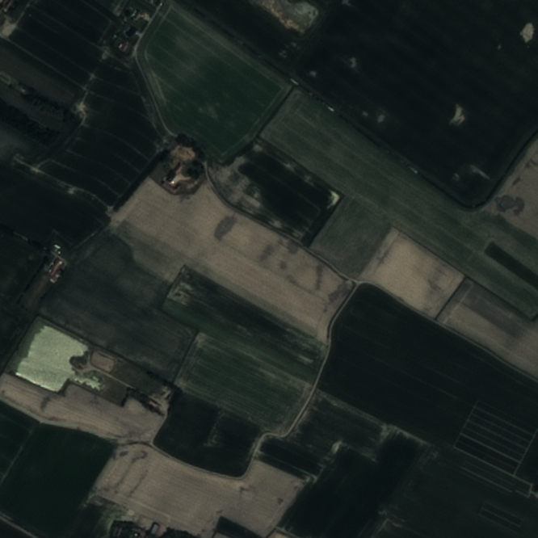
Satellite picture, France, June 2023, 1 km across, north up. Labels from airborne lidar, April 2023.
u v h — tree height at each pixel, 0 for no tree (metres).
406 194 0
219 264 0
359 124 0
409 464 0
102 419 0
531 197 0
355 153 0
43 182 0
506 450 0
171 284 0
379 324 0
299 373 0
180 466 0
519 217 0
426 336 0
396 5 0
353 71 0
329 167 0
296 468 0
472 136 0
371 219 0
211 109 0
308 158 0
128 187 0
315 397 0
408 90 0
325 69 0
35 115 0
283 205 0
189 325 0
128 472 0
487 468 0
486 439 0
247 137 0
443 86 0
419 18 0
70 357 0
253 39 0
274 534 0
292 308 0
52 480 0
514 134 0
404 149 0
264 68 0
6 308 0
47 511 0
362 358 0
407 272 0
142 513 0
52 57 0
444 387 0
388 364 0
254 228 0
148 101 0
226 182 0
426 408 0
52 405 0
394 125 0
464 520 0
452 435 0
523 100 0
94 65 0
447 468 0
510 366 0
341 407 0
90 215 0
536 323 0
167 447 0
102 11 0
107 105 0
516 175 0
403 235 0
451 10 0
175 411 0
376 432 0
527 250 0
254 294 0
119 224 0
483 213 0
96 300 0
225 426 0
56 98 0
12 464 0
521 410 0
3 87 0
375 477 0
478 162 0
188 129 0
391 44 0
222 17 0
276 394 0
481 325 0
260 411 0
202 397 0
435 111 0
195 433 0
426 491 0
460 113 0
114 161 0
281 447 0
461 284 0
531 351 0
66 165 0
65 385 0
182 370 0
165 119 0
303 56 0
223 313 0
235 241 0
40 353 0
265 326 0
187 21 0
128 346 0
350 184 0
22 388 0
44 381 0
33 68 0
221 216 0
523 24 0
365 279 0
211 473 0
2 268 0
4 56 0
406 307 0
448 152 0
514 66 0
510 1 0
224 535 0
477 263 0
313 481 0
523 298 0
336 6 0
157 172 0
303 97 0
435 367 0
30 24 0
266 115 0
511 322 0
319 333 0
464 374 0
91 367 0
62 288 0
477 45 0
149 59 0
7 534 0
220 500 0
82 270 0
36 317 0
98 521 0
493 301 0
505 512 0
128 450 0
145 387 0
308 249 0
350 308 0
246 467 0
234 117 0
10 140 0
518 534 0
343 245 0
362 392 0
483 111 0
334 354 0
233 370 0
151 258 0
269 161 0
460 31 0
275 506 0
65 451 0
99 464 0
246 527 0
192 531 0
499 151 0
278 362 0
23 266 0
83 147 0
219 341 0
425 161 0
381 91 0
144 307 0
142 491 0
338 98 0
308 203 0
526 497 0
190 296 0
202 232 0
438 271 0
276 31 0
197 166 15
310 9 0
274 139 0
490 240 0
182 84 0
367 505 0
